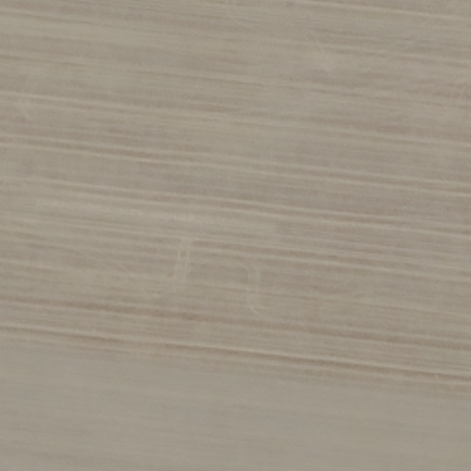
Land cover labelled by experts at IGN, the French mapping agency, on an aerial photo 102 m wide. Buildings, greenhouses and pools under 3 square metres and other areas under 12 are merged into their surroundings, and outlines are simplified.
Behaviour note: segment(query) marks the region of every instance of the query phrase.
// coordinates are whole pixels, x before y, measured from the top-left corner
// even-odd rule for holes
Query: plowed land
[[[471,0],[0,0],[0,471],[471,471]]]

